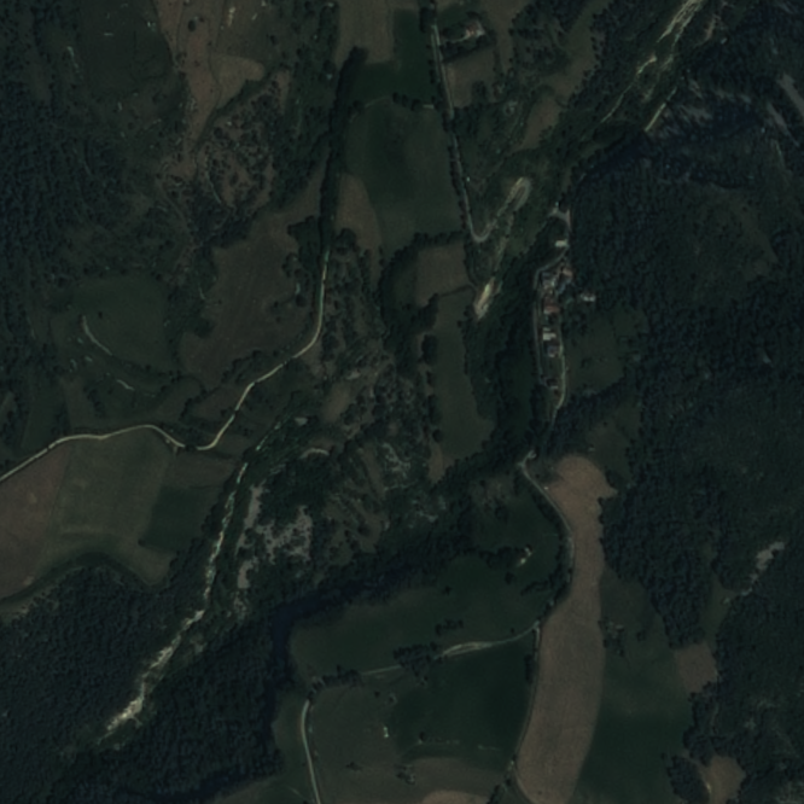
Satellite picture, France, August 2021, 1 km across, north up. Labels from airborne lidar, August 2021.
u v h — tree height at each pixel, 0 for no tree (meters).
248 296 0
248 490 7
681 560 10
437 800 0
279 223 0
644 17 11
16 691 20
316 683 0
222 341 0
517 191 0
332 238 14
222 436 0
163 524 0
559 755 0
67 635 14
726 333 9
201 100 0
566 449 6
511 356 17
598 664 0
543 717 0
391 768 0
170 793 16
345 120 15
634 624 0
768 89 15
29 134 10
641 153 14
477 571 0
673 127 13
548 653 0
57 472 0
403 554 13
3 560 0
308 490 17
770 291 13
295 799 0
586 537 0
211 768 9
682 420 7
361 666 0
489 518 0
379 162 0
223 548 7
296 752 0
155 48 0
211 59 0
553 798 0
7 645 11
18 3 8
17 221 12
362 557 11
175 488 0
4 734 14
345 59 0
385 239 0
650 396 13
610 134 10
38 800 11
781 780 11
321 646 0
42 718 12
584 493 0
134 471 0
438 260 0
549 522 11
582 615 0
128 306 0
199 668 20
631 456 10
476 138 11
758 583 8
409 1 0
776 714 7
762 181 6
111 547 0
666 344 12
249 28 0
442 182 0
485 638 0
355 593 16
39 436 0
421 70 0
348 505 8
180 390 0
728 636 6
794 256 12
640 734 0
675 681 0
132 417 0
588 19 0
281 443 16
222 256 0
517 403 21
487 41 8
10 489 0
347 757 0
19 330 8
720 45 14
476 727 0
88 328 0
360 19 0
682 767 15
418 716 0
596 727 0
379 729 0
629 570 6
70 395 0
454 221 0
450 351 0
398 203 0
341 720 0
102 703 16
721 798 0
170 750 16
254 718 6
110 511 0
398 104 15
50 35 0
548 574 0
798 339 6
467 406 0
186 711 10
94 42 0
